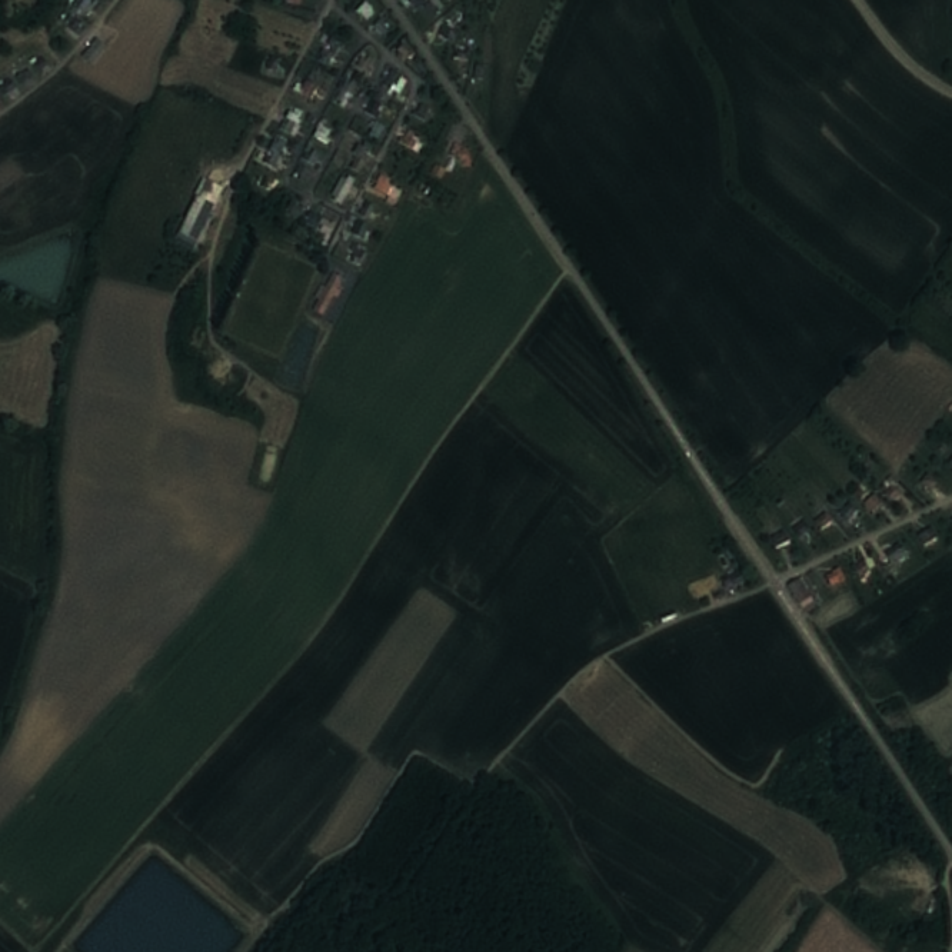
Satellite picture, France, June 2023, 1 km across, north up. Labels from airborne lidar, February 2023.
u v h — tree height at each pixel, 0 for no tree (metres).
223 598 0
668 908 0
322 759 0
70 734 0
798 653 0
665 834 0
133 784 0
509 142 0
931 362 0
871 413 0
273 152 0
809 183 0
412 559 0
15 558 0
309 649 0
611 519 0
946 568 0
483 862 20
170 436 0
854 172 0
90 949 0
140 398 0
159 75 0
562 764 0
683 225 0
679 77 0
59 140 0
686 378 0
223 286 0
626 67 0
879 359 0
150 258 0
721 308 0
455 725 0
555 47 0
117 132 0
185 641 0
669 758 0
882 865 0
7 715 9
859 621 0
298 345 0
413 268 0
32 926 0
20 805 0
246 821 0
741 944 0
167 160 0
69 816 0
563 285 0
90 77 0
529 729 0
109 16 0
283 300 0
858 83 0
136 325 0
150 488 0
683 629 0
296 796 0
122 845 0
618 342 0
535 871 21
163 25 0
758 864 0
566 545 0
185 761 0
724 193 0
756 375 0
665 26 0
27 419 0
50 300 0
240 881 0
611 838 0
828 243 0
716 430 0
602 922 13
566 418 0
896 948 0
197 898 0
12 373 0
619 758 0
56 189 0
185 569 0
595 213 0
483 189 0
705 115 0
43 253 0
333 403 0
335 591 0
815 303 0
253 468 0
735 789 0
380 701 0
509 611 0
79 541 0
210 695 0
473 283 0
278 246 0
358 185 0
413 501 0
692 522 0
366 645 0
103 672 0
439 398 0
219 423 0
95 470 0
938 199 0
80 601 0
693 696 0
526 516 0
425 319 0
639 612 0
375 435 0
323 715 0
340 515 0
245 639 0
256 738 0
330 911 24
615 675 0
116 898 0
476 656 0
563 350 0
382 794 0
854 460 6
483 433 0
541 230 0
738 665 0
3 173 0
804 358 0
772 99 0
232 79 0
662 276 0
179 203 0
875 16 0
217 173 0
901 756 11
